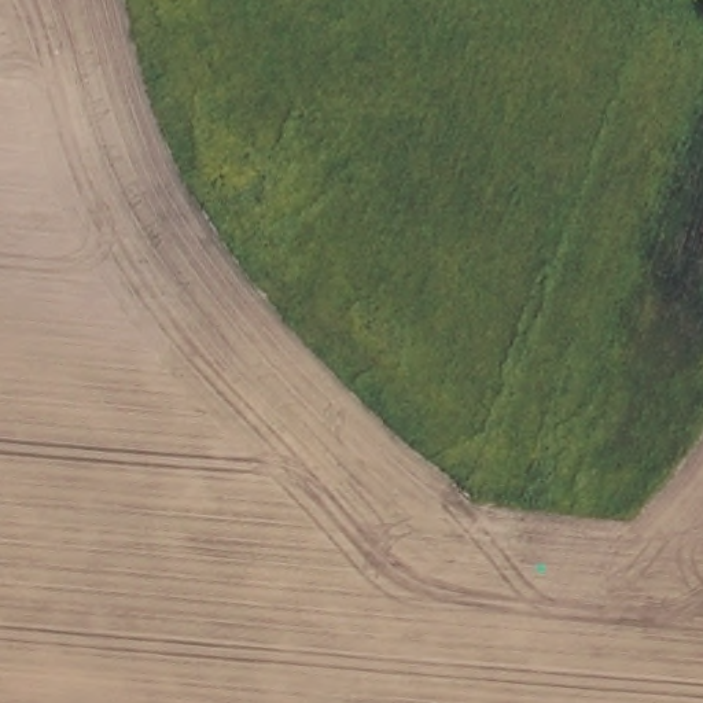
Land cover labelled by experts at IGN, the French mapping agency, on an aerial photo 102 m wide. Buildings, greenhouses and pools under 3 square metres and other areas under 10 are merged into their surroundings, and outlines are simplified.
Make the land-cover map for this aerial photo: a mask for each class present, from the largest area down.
<instances>
[{"label":"agricultural land","instance_id":"1","mask_svg":"<svg viewBox=\"0 0 703 703\"><path fill-rule=\"evenodd\" d=\"M0 703H703V437L695 439L689 453L673 467L665 486L637 511V516L626 522L511 511L489 503H472L464 489L448 481V475H442L412 448H406L398 437H393L376 415H371L357 401V395H352L297 341L291 330L283 327L277 313L266 302V294L250 283L244 266L222 242L217 225L184 181V176L178 173V168L173 165L170 148L159 135L135 58V47L129 41L126 0H0Z\"/></svg>","mask_w":703,"mask_h":703},{"label":"herbaceous vegetation","instance_id":"2","mask_svg":"<svg viewBox=\"0 0 703 703\"><path fill-rule=\"evenodd\" d=\"M129 41L135 47V58L159 135L170 148L173 165L178 168V173L184 176V181L217 225L222 242L244 266L250 283L266 294V302L277 313L283 327L291 330L297 341L352 395H357V401L371 415H376L393 437H398L406 448H412L442 475H448V481L464 489L472 503H489L511 511L626 522L637 516V511L665 486L673 467L689 453L695 439L703 437V0H126Z\"/></svg>","mask_w":703,"mask_h":703}]
</instances>
